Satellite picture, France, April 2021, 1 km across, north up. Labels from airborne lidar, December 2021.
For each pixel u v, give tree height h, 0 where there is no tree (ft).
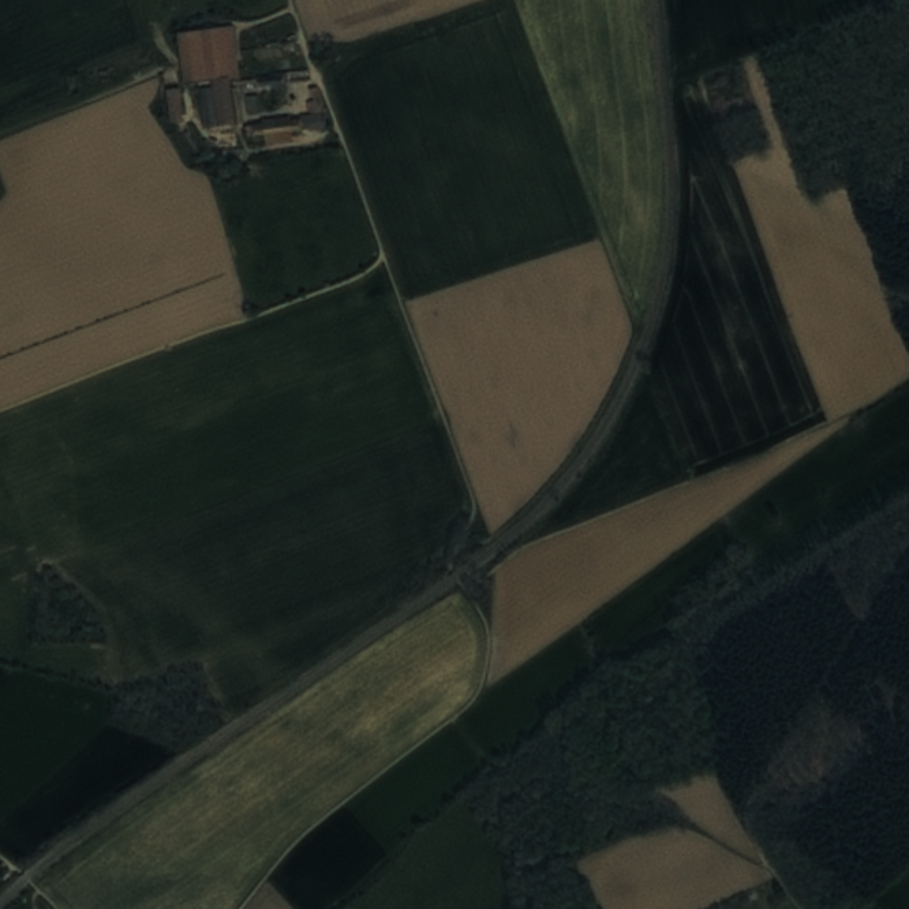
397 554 0
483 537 25
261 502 0
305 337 0
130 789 23
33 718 0
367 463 0
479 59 0
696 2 0
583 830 62
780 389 0
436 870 0
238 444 0
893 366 0
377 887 0
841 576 84
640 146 0
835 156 56
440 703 0
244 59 0
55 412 0
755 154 77
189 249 0
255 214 0
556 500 58
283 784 0
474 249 0
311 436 0
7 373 0
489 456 0
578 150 0
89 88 0
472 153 0
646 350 0
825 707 79
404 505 0
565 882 92
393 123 0
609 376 0
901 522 113
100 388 0
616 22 0
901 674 106
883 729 82
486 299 0
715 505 0
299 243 0
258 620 0
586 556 0
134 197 0
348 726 0
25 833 0
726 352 0
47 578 35
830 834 88
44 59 0
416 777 0
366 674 0
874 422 0
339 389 0
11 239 0
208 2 0
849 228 0
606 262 0
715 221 0
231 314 0
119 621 0
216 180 22
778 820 78
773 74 75
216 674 0
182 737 56
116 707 51
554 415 0
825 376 0
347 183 0
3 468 0
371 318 0
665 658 58
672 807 68
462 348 0
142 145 0
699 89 0
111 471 0
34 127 0
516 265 0
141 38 0
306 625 0
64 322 0
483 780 58
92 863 0
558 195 0
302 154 20
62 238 0
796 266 0
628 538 0
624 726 45
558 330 0
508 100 0
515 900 62
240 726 0
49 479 0
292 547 0
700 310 0
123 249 0
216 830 0
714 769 62
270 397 0
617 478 0
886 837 96
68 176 0
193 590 0
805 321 0
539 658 0
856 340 0
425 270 0
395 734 0
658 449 0
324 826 0
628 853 0
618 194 0
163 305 0
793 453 0
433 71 0
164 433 0
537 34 0
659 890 0
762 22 0
